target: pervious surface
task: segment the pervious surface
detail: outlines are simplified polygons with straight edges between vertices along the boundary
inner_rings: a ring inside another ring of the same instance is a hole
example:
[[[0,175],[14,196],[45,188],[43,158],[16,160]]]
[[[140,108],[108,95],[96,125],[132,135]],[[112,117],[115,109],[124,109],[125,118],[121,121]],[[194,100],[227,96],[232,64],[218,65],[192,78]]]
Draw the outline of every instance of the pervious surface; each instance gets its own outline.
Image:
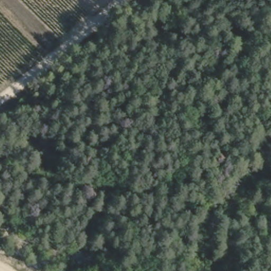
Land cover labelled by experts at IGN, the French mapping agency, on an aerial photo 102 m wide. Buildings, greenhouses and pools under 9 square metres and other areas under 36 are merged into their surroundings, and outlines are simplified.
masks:
[[[29,72],[24,73],[16,68],[13,76],[16,83],[11,83],[10,87],[0,92],[0,103],[5,103],[8,98],[32,83],[34,78],[39,77],[44,65],[54,67],[66,50],[76,48],[80,40],[92,33],[94,26],[97,28],[98,25],[105,25],[110,8],[115,7],[118,11],[120,8],[130,7],[129,0],[77,0],[77,3],[86,10],[83,14],[85,21],[79,21],[70,31],[70,39],[40,60]]]

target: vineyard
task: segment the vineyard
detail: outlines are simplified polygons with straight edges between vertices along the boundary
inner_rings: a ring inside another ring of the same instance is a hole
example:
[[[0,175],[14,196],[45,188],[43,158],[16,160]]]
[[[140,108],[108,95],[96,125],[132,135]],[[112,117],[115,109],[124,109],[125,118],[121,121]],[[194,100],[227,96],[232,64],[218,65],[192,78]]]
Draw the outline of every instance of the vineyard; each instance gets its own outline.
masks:
[[[70,31],[79,21],[85,21],[83,14],[86,10],[77,3],[77,0],[0,0],[0,92],[10,87],[11,83],[16,83],[13,76],[16,68],[24,73],[29,72],[40,60],[70,39]]]

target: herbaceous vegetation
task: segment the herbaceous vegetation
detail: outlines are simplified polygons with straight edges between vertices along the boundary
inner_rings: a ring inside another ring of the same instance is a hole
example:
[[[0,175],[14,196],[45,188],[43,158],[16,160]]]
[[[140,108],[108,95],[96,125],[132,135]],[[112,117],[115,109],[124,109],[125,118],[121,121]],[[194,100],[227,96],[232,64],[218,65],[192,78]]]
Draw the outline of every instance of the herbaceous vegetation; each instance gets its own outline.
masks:
[[[6,257],[4,251],[0,252],[0,271],[34,271],[20,260]]]

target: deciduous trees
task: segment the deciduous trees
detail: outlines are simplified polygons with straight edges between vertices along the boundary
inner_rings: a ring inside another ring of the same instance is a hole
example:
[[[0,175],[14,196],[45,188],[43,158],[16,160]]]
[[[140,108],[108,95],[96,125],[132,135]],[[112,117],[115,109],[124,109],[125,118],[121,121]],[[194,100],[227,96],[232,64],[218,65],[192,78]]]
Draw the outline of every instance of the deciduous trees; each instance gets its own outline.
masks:
[[[131,271],[157,271],[157,267],[164,267],[163,259],[151,254],[146,256],[145,247],[141,247],[140,253],[135,254],[137,261],[131,265]]]
[[[101,185],[114,184],[112,170],[106,160],[102,160],[102,165],[97,167],[98,174],[92,179],[93,189]]]
[[[213,31],[214,26],[220,24],[217,17],[219,14],[238,15],[242,17],[238,23],[255,35],[258,48],[271,43],[271,0],[220,0],[205,11],[207,29]]]
[[[184,123],[191,122],[192,127],[200,128],[199,118],[205,111],[204,105],[201,105],[198,108],[188,107],[181,115],[181,120]]]

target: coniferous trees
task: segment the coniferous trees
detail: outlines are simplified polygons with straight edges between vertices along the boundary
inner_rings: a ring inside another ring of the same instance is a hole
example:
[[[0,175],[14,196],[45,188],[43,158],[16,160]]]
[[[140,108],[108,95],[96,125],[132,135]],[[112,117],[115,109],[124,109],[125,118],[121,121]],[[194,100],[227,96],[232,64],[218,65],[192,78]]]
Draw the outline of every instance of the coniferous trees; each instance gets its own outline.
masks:
[[[157,271],[271,271],[271,43],[258,48],[255,35],[238,23],[242,17],[238,15],[219,14],[217,17],[220,24],[214,26],[213,31],[207,29],[205,11],[220,0],[129,0],[130,7],[120,8],[118,11],[115,7],[110,8],[105,25],[98,25],[97,28],[94,26],[92,33],[80,40],[76,48],[66,50],[54,67],[44,65],[39,77],[34,78],[32,83],[8,98],[5,103],[0,103],[0,252],[4,251],[6,257],[20,260],[34,271],[131,271],[131,265],[137,261],[135,254],[140,253],[141,247],[145,247],[146,256],[151,254],[163,259],[164,267],[157,267]],[[199,118],[200,128],[192,127],[191,122],[184,123],[181,120],[181,115],[188,107],[198,108],[201,105],[204,105],[205,111]],[[101,185],[93,189],[92,179],[98,174],[97,167],[102,165],[102,160],[106,160],[112,170],[114,184]]]

